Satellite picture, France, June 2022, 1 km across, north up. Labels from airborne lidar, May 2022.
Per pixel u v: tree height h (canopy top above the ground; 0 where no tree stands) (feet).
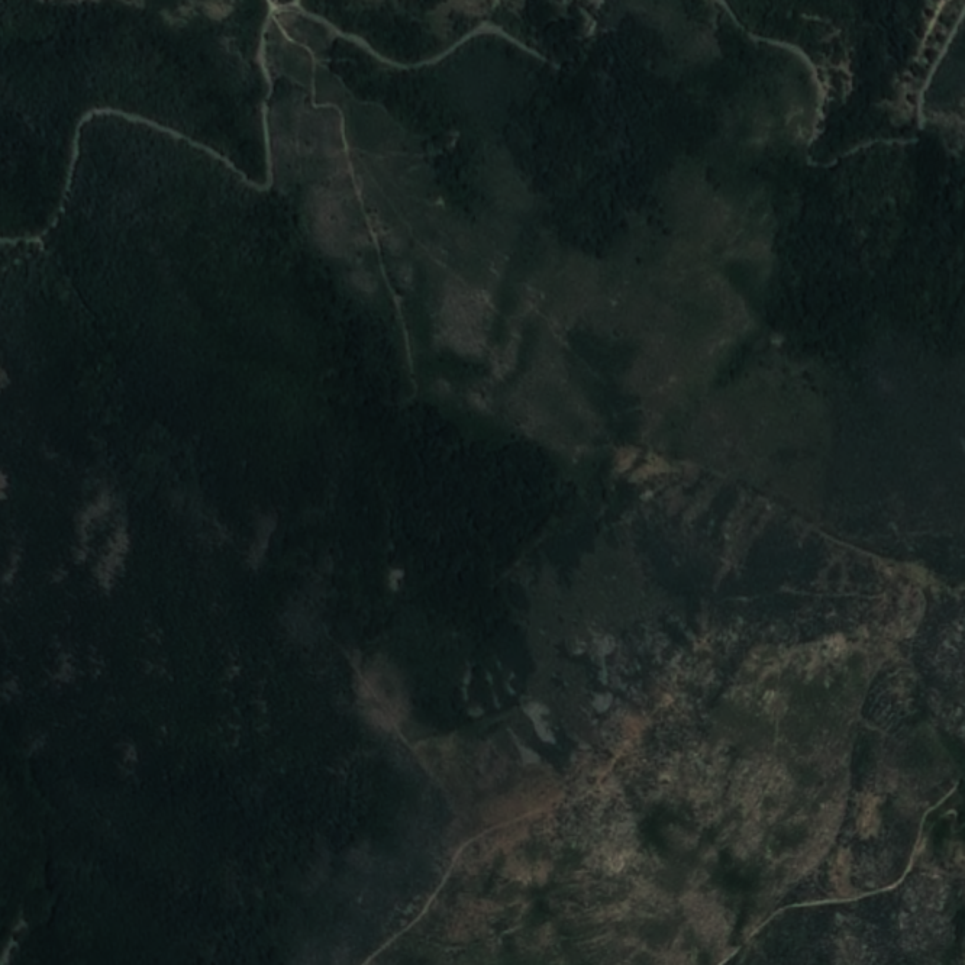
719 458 0
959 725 0
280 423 27
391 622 32
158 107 41
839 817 0
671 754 0
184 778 50
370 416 54
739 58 28
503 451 42
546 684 0
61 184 38
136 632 24
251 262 31
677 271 0
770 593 0
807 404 0
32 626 21
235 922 29
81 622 22
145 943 56
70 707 22
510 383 0
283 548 32
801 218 41
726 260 0
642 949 0
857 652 0
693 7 25
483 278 0
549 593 0
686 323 0
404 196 0
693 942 0
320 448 47
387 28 23
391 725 0
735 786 0
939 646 0
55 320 28
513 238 0
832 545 0
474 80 0
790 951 0
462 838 0
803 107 0
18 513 27
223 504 36
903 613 0
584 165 57
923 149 35
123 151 21
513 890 0
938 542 0
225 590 35
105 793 24
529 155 31
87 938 39
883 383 0
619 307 0
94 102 27
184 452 30
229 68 17
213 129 47
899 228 54
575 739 0
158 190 25
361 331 36
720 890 0
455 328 0
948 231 39
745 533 0
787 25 48
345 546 42
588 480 0
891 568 0
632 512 0
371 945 0
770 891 0
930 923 0
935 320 38
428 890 0
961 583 0
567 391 0
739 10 36
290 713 23
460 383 0
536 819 0
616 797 0
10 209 41
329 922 0
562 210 31
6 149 65
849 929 0
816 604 0
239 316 40
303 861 26
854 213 44
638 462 0
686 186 0
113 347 45
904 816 0
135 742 21
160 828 39
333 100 0
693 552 0
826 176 51
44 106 27
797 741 0
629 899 0
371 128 0
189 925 37
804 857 0
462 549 50
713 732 0
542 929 0
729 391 0
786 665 0
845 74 27
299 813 31
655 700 0
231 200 33
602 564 0
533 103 46
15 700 24
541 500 36
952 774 0
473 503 55
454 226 0
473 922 0
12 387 23
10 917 52
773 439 0
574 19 40
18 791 43
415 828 0
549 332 0
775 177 33
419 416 56
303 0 0
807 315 45
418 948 0
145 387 42
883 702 0
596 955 0
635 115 36
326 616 23
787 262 39
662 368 0
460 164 25
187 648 37
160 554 34
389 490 22
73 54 33
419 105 30
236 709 24
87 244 26
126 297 34
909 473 0
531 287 0
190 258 33
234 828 42
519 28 21
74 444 25
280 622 21
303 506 31
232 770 30
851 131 54
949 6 0
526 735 0
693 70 20
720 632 0
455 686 18
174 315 22
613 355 0
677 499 0
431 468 57
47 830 62
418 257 0
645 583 0
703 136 39
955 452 0
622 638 0
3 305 25
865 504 0
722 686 0
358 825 30
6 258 32
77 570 22
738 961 0
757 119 0
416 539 68
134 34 23
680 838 0
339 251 0
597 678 0
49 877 60
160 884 55
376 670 0
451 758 0
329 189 0
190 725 35
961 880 0
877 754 0
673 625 0
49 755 35
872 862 0
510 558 27
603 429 0
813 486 0
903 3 53
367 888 0
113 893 60
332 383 36
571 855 0
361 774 25
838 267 25
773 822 0
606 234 33
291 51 0
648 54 34
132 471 34
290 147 0
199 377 45
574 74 51
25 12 32
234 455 45
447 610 32
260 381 35
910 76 19
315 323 40
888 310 25
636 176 47
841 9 25
